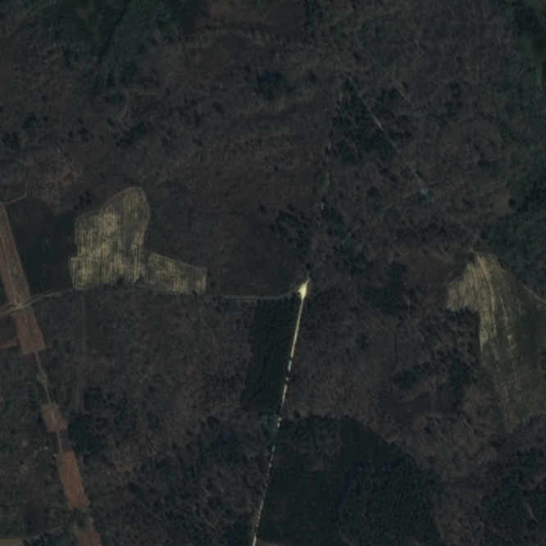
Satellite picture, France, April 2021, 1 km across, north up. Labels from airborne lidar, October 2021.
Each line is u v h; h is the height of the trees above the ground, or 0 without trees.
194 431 19
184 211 7
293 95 28
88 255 0
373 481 25
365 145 22
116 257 0
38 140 13
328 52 11
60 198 7
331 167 11
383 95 8
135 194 0
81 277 0
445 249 19
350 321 12
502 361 0
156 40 18
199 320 12
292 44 19
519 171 11
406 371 13
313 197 7
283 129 18
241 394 12
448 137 18
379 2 12
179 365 11
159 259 0
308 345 7
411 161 16
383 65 17
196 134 11
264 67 11
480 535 7
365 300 17
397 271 17
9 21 8
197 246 8
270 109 8
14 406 7
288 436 25
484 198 9
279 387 16
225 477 7
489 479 10
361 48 9
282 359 15
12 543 0
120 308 15
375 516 24
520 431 12
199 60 19
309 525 9
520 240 14
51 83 6
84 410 10
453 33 11
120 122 15
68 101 6
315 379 11
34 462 0
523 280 10
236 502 12
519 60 24
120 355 10
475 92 17
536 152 17
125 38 17
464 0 15
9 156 6
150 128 18
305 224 20
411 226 19
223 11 0
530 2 22
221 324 10
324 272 11
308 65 22
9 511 23
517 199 6
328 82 10
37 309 13
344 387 9
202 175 8
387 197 17
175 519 23
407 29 12
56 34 11
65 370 11
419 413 0
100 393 14
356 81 12
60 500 15
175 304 16
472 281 0
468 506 6
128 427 25
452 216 16
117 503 7
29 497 0
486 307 0
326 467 15
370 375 14
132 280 0
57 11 7
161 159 12
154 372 8
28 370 10
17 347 7
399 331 12
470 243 12
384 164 17
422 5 16
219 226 8
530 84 17
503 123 17
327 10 12
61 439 6
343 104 8
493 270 0
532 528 21
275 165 7
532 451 9
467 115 12
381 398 8
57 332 13
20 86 6
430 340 16
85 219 0
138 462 11
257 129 14
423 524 25
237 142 11
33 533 8
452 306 0
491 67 17
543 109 18
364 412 9
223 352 8
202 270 0
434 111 18
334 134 13
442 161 18
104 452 18
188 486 12
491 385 21
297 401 12
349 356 18
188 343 8
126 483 14
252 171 8
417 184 16
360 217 14
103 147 6
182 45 10
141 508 7
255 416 8
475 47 17
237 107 17
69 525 17
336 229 21
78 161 9
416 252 9
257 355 10
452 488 13
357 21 15
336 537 11
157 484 16
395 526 23
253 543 0
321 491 13
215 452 16
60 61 8
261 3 10
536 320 0
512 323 0
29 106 6
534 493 9
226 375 7
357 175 10
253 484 14
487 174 17
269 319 13
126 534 6
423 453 21
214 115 14
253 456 26
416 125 14
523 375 0
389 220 19
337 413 18
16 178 11
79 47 11
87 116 6
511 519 22
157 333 5
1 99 6
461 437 14
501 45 13
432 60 17
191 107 10
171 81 9
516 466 9
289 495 12
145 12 13
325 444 26
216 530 8
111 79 8
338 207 15
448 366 13
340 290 9
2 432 11
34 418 0
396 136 8
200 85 7
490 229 15
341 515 24
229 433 13
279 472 10
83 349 12
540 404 0
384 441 9
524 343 0
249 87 19
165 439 11
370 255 14
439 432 15
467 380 17
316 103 9
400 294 16
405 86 7
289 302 14
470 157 11
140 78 14
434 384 10
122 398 13
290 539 13
